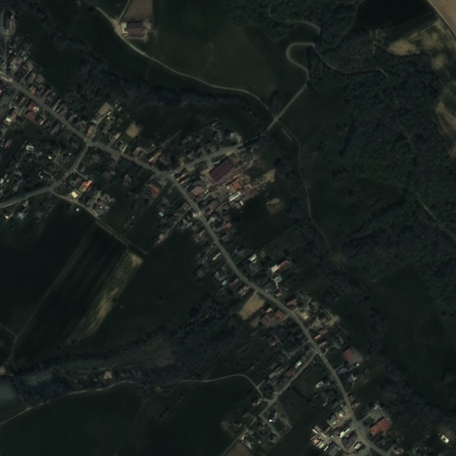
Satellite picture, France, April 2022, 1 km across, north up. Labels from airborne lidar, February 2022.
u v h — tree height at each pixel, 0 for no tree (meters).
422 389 0
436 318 0
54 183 0
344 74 10
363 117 27
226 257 0
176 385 17
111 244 0
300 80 0
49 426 0
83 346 0
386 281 0
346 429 0
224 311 8
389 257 30
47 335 0
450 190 34
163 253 0
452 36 0
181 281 0
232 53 0
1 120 0
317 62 24
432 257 29
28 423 0
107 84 26
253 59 0
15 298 0
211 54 0
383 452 0
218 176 0
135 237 0
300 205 28
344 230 0
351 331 0
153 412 0
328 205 0
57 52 0
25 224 0
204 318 10
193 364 34
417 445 0
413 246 30
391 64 11
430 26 0
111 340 0
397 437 0
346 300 0
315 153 0
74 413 0
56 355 0
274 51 0
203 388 0
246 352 0
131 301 0
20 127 0
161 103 18
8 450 0
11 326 0
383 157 26
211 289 0
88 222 0
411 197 26
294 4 25
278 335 15
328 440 0
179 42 0
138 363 0
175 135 0
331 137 0
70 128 0
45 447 0
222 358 0
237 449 0
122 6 0
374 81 9
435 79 10
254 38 0
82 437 0
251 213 0
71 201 0
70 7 0
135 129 0
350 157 28
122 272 0
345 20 25
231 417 0
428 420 23
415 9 0
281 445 0
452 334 0
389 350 0
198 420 0
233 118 0
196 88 0
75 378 0
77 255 0
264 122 0
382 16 0
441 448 0
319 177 0
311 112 0
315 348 0
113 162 0
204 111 0
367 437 0
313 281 0
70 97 7
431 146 30
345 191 0
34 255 0
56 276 0
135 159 0
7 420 0
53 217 0
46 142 13
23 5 19
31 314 0
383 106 32
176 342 28
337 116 0
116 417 0
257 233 0
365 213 0
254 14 24
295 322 0
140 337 0
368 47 23
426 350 0
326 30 26
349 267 0
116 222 0
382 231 21
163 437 0
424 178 31
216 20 0
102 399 0
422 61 13
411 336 0
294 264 15
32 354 0
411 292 0
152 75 0
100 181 0
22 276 0
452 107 0
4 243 0
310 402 7
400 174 27
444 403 0
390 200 0
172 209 6
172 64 0
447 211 24
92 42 0
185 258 0
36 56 0
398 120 28
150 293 0
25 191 12
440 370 0
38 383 0
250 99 0
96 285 0
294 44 0
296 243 0
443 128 0
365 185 0
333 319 0
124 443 0
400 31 0
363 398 0
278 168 15
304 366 0
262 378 0
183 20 0
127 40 0
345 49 25
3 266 0
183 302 0
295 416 0
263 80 0
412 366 0
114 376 23
